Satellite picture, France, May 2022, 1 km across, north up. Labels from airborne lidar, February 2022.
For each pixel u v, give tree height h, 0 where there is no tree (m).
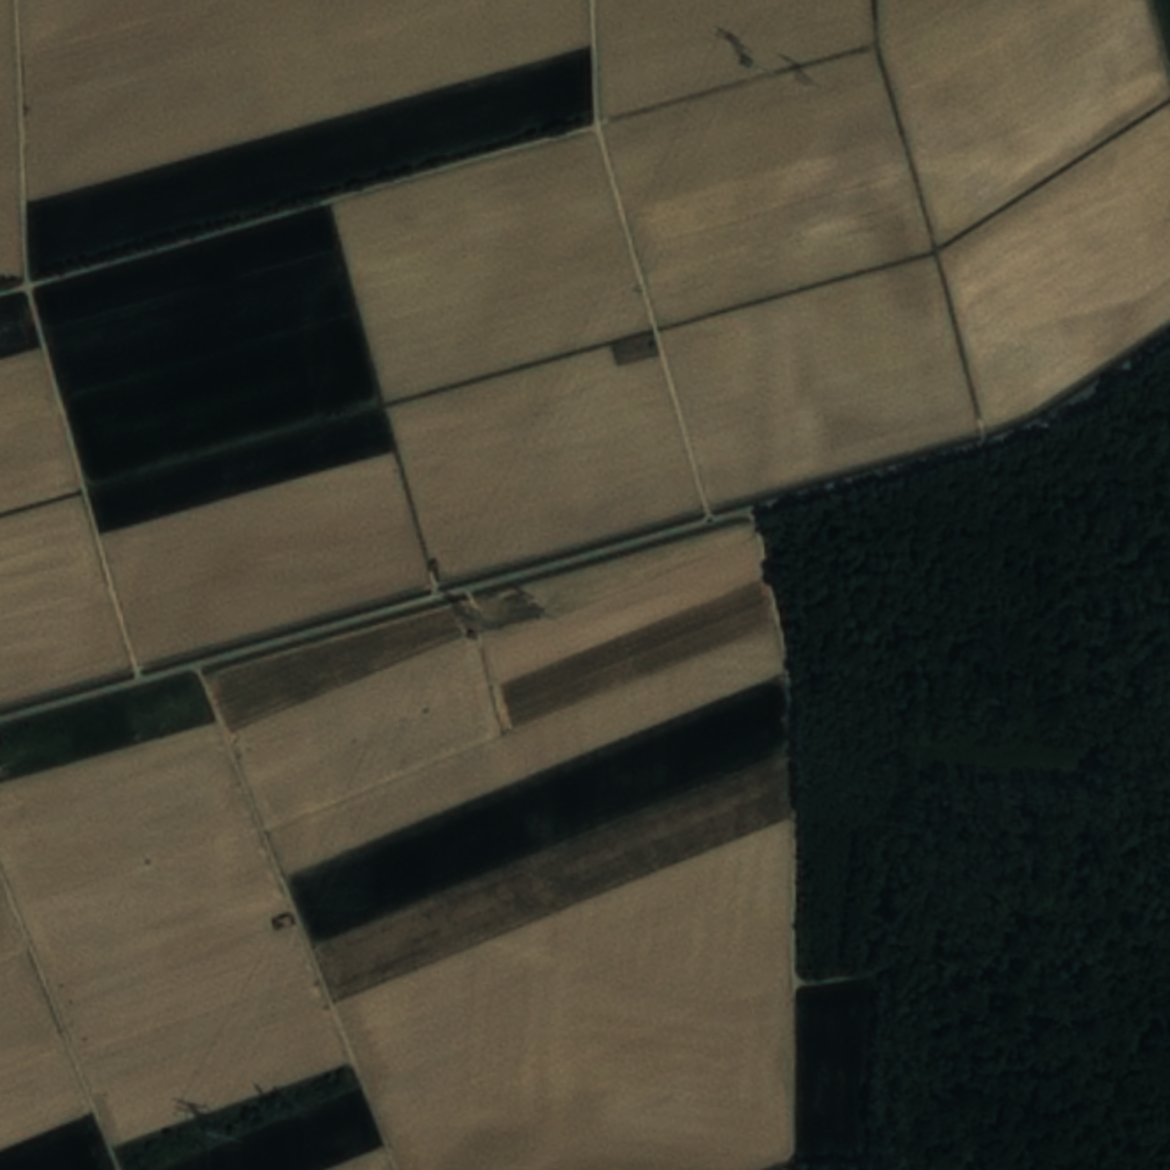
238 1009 0
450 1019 0
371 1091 0
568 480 0
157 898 0
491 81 0
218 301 0
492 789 0
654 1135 0
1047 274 0
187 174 0
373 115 0
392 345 0
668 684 0
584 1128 0
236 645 0
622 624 0
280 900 0
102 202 0
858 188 0
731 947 0
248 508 0
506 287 0
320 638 0
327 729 0
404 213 0
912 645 28
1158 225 0
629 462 0
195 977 0
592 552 0
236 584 0
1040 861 35
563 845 0
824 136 0
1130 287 0
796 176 0
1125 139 0
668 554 0
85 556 0
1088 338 0
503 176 0
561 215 0
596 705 0
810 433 0
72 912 0
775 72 0
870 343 0
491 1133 0
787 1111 0
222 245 0
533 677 0
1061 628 29
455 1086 0
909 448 0
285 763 0
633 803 0
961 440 0
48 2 0
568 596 0
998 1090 26
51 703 0
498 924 0
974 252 0
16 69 0
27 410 0
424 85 0
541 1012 0
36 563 0
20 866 0
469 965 0
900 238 0
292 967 0
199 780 0
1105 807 32
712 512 0
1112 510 21
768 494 0
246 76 0
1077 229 0
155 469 0
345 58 0
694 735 0
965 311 0
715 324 0
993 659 30
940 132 0
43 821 0
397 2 0
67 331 0
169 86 0
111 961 0
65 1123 0
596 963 0
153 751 0
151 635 0
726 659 0
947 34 0
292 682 0
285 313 0
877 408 0
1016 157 0
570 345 0
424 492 0
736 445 0
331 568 0
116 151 0
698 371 0
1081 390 0
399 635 0
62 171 0
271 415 0
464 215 0
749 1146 0
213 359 0
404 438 0
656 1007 0
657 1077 0
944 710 29
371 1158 0
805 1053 0
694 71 0
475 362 0
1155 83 0
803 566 18
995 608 20
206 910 0
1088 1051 22
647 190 0
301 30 0
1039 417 0
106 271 0
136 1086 0
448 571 0
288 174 0
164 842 0
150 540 0
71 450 0
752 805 0
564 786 0
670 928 0
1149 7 0
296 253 0
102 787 0
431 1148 0
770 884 0
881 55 0
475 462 0
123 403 0
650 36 0
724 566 0
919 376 0
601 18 0
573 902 0
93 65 0
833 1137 0
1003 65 0
